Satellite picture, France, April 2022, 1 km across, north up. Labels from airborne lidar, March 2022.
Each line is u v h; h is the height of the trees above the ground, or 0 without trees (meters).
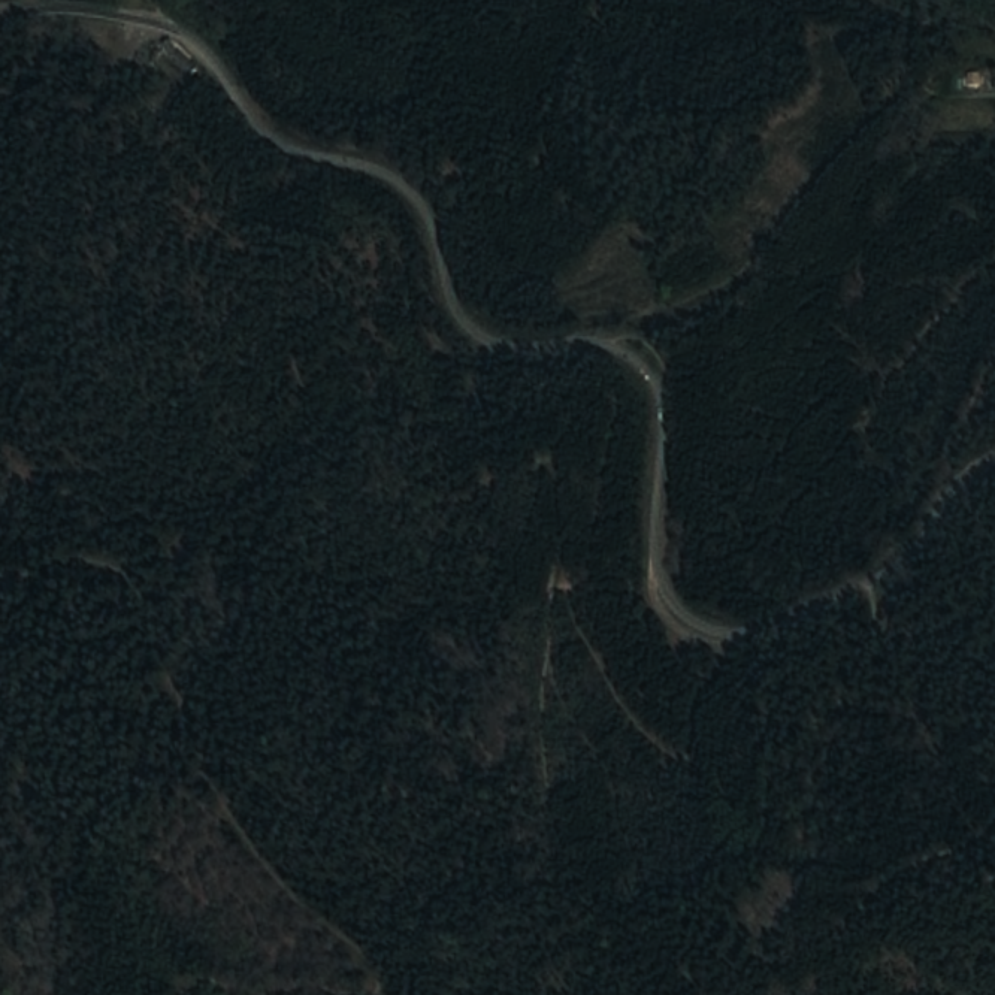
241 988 14
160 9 15
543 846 14
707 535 21
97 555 28
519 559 16
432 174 28
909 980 11
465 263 24
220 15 21
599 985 19
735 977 26
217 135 21
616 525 23
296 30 21
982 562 29
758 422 11
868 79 25
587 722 21
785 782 17
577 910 19
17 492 17
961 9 23
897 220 11
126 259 8
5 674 32
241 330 24
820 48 0
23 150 26
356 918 25
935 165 17
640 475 24
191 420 21
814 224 17
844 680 15
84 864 15
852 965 19
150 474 24
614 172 25
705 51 17
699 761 19
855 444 20
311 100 19
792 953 24
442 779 14
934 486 9
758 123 26
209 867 18
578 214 21
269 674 28
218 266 22
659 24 15
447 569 19
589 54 8
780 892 0
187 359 19
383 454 23
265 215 13
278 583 29
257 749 25
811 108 0
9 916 16
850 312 14
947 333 9
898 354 9
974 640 29
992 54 0
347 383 10
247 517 24
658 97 14
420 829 19
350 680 28
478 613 13
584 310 0
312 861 21
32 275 22
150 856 8
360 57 19
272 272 26
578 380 28
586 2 15
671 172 29
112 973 7
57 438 13
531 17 12
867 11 20
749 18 18
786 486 22
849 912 20
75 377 22
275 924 14
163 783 33
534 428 20
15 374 32
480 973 19
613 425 18
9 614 36
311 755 17
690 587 24
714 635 0
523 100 17
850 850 21
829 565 19
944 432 6
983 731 35
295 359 17
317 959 18
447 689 29
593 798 18
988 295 9
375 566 26
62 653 35
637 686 22
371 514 17
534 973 19
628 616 23
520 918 26
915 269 18
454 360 11
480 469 14
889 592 20
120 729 11
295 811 23
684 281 6
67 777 36
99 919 8
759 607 19
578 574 16
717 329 19
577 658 17
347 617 16
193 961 17
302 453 10
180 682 20
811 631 27
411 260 18
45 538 13
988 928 24
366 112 20
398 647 13
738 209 25
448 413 25
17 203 26
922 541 0
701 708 12
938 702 34
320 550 25
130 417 21
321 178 13
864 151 22
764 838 17
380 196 13
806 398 14
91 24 0
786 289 19
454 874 18
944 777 14
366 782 12
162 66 0
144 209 7
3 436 8
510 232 20
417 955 23
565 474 20
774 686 33
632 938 19
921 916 25
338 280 25
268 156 25
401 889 22
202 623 37
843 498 10
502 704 20
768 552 17
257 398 27
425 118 28
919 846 10
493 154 21
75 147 13
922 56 29
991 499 22
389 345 17
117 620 24
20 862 26
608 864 16
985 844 9
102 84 27
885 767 12
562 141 17
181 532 13
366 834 17
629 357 0
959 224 19
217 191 6
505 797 16
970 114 0
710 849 23
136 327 27
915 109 26
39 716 30
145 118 9
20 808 33
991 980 22
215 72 0
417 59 14
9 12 0
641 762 24
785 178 0
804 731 11
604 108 10
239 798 25
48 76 31
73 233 22
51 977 26
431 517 21
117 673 37
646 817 17
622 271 0
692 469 21
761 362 11
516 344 0
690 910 26
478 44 13
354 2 18
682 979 18
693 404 22
